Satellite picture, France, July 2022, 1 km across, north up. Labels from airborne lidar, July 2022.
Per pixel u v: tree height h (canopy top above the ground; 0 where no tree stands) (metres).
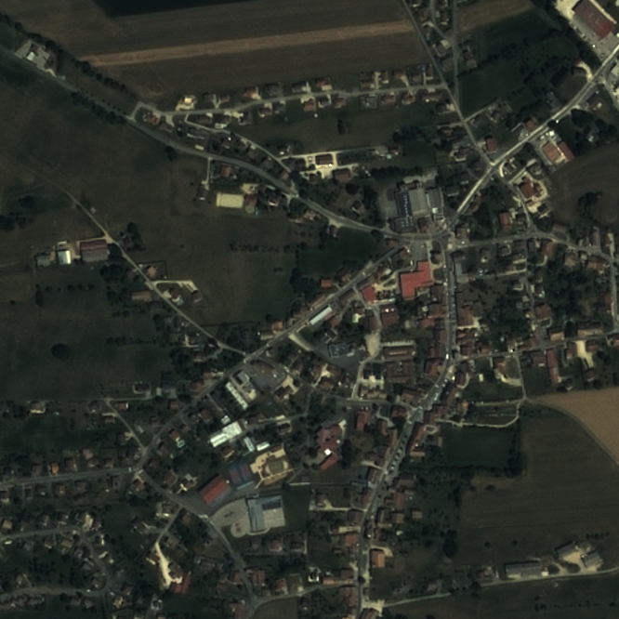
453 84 6
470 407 13
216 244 0
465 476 13
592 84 0
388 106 0
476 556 0
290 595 0
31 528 0
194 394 0
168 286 0
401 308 14
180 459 9
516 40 0
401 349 0
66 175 0
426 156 0
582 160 0
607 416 0
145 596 10
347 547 0
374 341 0
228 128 0
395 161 0
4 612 0
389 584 0
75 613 0
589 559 0
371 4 0
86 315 0
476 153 0
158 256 0
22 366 0
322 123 0
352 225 0
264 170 0
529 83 14
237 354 10
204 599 5
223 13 0
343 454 9
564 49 0
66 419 0
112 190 0
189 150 0
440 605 0
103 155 0
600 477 0
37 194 0
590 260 0
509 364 0
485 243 0
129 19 0
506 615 0
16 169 0
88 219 0
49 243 0
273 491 0
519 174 0
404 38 0
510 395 0
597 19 0
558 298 14
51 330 0
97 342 0
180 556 0
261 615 0
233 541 0
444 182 16
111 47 0
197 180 0
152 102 0
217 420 10
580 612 0
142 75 0
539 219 8
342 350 0
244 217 0
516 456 13
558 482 0
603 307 0
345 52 0
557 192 0
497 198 6
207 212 0
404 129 6
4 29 0
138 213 0
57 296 0
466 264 0
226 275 0
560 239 0
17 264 0
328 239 8
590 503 0
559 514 0
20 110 0
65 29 0
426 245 0
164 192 0
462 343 0
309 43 0
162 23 0
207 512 0
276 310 0
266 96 0
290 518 0
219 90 0
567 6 0
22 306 0
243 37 0
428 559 0
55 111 0
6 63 0
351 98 0
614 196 0
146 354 0
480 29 0
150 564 0
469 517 0
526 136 0
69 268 0
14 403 7
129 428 0
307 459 0
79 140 0
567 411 0
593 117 9
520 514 0
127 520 0
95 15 0
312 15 0
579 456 0
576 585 0
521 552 0
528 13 0
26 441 0
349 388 0
